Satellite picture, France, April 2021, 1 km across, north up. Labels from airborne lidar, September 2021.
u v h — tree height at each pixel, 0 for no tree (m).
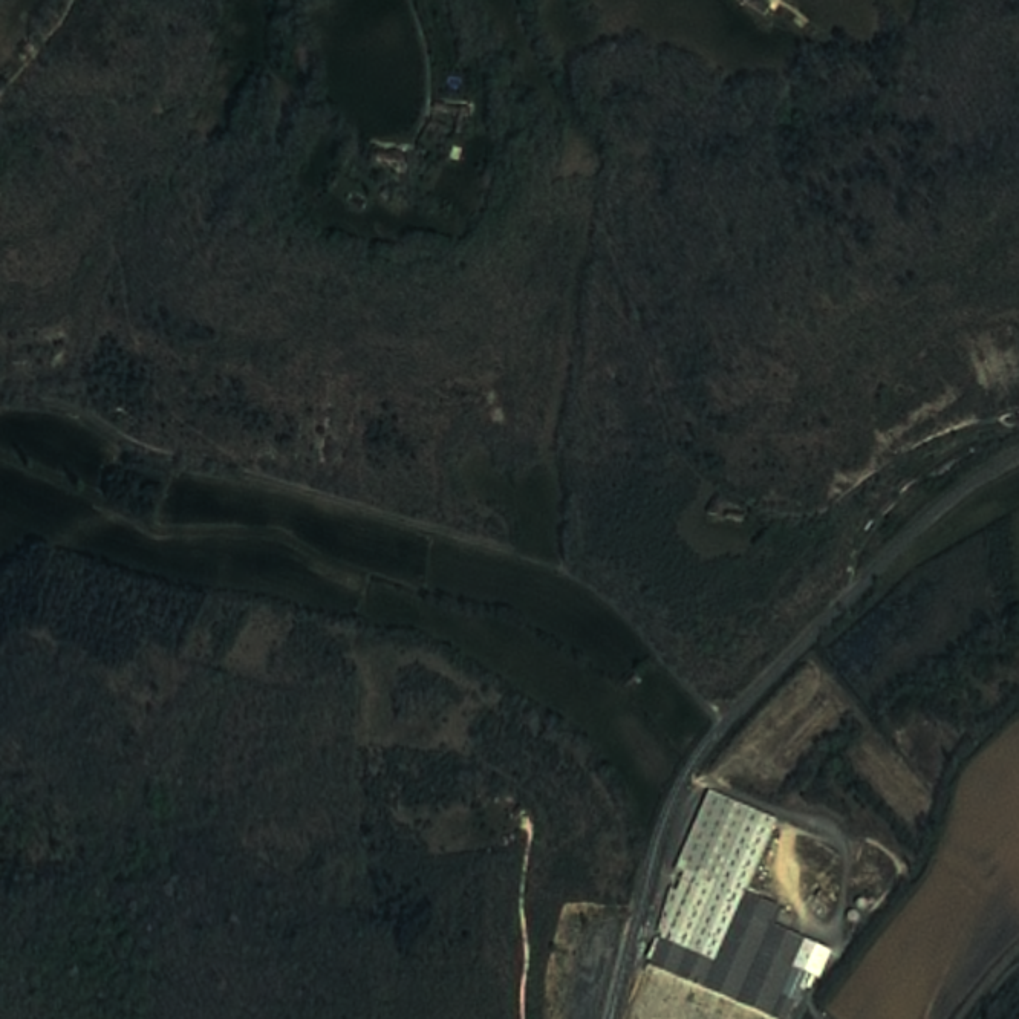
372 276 19
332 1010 19
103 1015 23
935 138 28
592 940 0
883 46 19
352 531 0
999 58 20
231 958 20
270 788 13
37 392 14
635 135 19
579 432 15
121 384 17
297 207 9
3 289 11
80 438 0
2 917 19
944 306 23
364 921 11
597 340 12
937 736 0
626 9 0
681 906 0
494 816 0
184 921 17
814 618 8
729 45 0
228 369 8
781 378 8
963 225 14
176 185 13
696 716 0
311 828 10
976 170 17
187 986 19
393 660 0
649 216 12
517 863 14
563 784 9
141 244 16
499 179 13
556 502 0
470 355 15
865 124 26
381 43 0
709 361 15
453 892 10
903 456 13
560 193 12
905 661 0
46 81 25
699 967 0
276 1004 20
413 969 10
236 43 0
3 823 18
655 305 12
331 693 13
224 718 7
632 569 9
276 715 9
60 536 0
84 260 17
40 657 11
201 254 10
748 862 0
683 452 9
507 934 15
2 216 10
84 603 11
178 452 7
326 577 0
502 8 0
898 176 15
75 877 23
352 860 16
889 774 0
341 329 18
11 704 17
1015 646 12
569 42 0
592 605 0
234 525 0
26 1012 17
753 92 23
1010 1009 7
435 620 0
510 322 17
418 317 16
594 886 9
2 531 0
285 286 14
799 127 18
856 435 10
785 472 9
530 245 14
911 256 19
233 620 9
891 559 0
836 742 15
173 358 7
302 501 0
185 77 20
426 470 6
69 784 19
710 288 12
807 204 22
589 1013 0
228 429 12
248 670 0
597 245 17
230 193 14
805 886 0
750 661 14
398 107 0
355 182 7
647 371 15
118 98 13
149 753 20
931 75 22
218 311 15
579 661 16
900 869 0
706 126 18
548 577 0
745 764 0
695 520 0
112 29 18
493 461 9
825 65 17
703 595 8
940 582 0
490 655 0
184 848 18
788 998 0
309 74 6
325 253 17
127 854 24
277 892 16
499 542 11
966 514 0
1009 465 0
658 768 0
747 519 7
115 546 0
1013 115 23
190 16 21
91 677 13
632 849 17
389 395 9
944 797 14
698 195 21
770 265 17
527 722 8
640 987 0
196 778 9
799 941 0
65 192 18
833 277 16
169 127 19
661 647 14
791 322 15
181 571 0
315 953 20
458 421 10
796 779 15
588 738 14
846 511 17
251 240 15
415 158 14
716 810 0
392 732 0
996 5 19
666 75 21
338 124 18
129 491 18
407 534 0
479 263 19
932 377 10
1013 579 6
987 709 11
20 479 0
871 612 0
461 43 12
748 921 0
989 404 14
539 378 12
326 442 7
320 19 0
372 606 0
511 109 16
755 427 12
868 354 17
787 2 0
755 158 21
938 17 19
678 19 0
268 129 19
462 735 0
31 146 23
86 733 17
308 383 8
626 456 6
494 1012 14
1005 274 15
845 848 0
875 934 13
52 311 9
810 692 0
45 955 21
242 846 14
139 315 12
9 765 20
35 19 13
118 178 18
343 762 13
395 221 0
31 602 17
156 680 10
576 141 0
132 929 23
